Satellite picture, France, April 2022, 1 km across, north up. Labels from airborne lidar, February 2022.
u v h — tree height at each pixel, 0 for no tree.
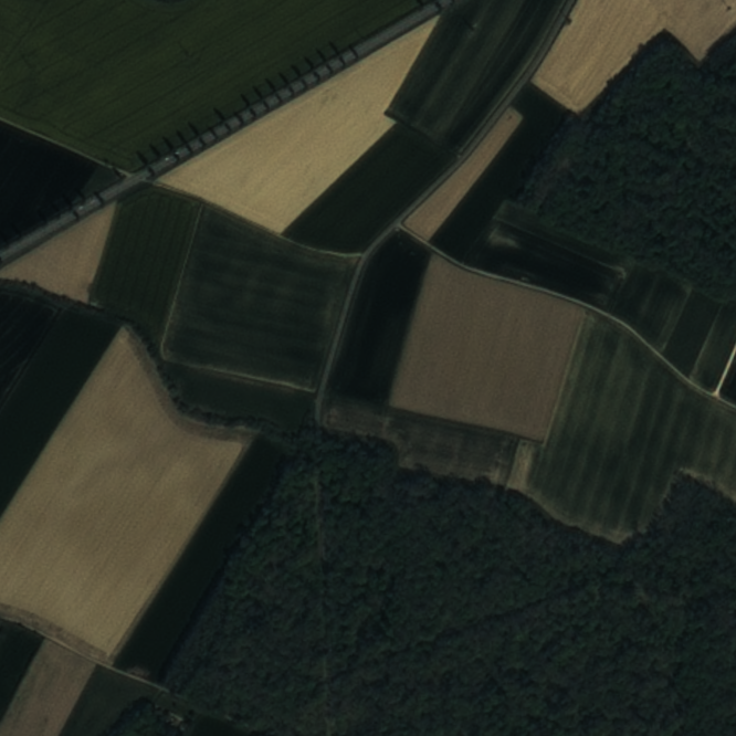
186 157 0
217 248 0
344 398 0
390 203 0
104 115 0
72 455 0
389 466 30
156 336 0
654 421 0
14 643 0
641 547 23
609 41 0
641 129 19
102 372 0
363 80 0
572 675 33
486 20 0
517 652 32
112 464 0
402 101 0
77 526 0
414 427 0
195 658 18
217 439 0
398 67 0
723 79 24
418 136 0
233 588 25
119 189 0
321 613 31
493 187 0
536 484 0
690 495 27
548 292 0
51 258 0
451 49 0
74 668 0
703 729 32
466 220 0
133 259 0
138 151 0
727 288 26
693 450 0
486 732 33
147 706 18
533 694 34
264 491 0
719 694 30
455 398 0
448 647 26
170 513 0
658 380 0
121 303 0
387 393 0
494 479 0
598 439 0
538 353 0
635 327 0
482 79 0
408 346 0
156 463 0
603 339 0
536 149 0
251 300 0
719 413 0
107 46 0
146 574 0
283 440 9
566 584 29
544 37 0
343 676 30
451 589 32
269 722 26
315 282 0
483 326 0
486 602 29
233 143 0
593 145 33
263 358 0
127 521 0
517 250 0
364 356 0
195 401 0
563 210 25
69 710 0
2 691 0
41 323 0
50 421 0
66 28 0
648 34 0
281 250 0
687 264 27
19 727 0
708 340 0
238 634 27
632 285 0
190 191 0
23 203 0
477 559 28
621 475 0
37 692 0
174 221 0
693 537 28
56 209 0
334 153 0
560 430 0
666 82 22
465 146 0
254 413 0
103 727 0
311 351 0
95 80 0
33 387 0
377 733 27
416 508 29
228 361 0
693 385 0
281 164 0
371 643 34
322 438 24
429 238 0
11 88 0
